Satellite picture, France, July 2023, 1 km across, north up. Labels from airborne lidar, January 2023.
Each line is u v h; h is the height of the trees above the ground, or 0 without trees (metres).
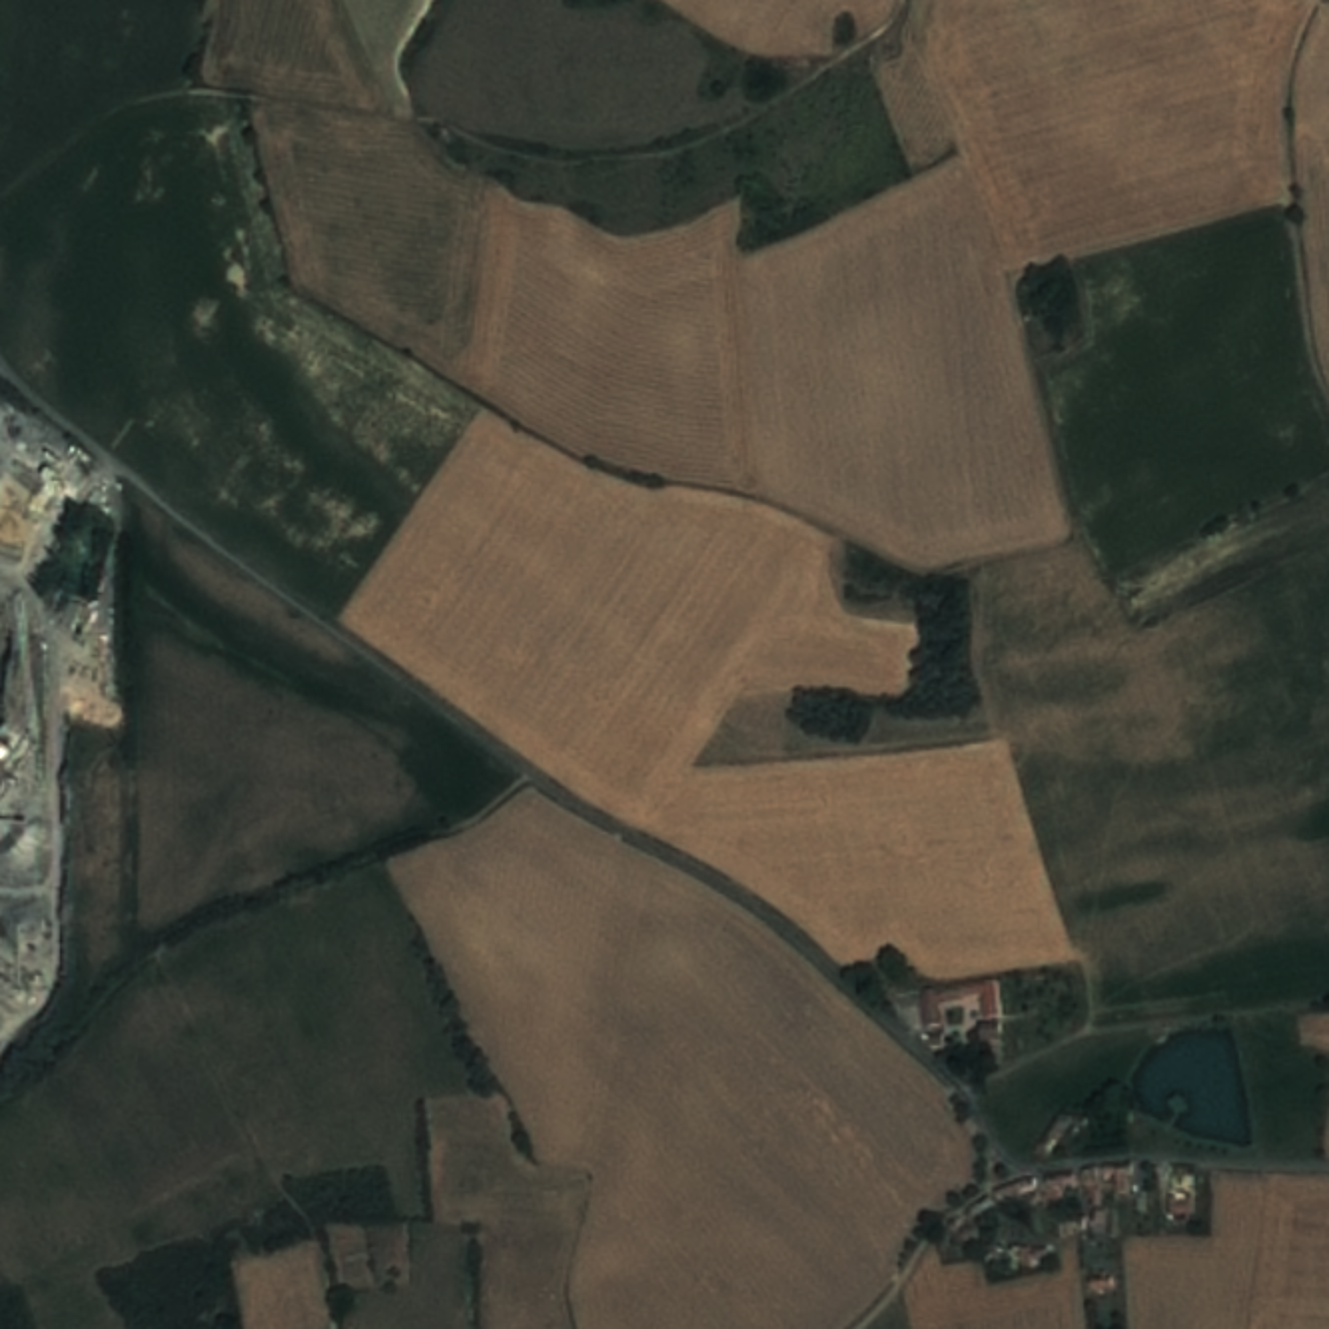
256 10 0
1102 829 0
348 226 0
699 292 0
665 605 0
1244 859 0
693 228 0
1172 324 0
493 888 0
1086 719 0
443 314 0
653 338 0
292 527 0
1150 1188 5
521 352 0
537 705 0
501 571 0
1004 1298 0
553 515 0
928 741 0
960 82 0
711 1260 0
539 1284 0
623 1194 0
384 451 0
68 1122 0
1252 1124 0
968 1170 0
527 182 0
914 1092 0
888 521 0
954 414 0
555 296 0
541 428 0
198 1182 0
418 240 0
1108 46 0
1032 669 0
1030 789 0
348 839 0
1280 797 0
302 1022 0
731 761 0
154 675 0
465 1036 15
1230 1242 0
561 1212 0
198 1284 7
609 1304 0
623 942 0
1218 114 0
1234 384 0
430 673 0
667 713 0
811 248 0
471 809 0
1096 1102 11
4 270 0
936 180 0
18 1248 0
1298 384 0
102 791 0
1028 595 0
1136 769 0
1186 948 0
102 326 0
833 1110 0
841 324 0
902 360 0
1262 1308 0
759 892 0
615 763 0
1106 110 0
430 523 0
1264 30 0
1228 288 0
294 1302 0
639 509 0
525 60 0
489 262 0
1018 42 0
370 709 0
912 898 0
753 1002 0
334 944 0
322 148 0
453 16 0
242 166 0
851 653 0
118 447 0
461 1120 0
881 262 0
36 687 0
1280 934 0
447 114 0
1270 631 0
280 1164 0
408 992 0
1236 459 0
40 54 0
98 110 0
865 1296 0
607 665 0
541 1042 0
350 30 0
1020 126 0
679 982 0
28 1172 0
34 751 0
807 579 0
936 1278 0
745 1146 0
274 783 0
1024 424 0
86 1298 0
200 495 0
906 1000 0
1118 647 0
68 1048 13
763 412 0
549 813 0
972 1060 8
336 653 0
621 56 0
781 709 0
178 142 0
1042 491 0
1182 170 0
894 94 0
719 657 0
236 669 0
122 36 0
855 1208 0
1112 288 0
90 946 0
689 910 0
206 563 0
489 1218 0
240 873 0
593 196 0
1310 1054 0
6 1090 8
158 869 0
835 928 0
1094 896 0
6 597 0
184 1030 0
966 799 0
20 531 0
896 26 0
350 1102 0
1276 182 0
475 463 0
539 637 0
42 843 0
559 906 0
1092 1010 0
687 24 0
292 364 0
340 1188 8
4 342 0
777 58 0
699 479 0
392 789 0
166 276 0
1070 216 0
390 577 0
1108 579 0
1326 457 0
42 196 0
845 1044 0
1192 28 0
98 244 0
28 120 0
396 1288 7
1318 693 0
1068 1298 0
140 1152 0
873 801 0
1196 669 0
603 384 0
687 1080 0
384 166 0
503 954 0
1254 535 0
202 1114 0
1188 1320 0
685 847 0
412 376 0
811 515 0
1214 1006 0
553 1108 0
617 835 0
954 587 6
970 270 0
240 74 0
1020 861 0
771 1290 0
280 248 0
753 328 0
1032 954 0
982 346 0
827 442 0
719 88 8
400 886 0
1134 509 0
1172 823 0
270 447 0
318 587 0
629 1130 0
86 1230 0
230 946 0
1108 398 0
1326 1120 0
